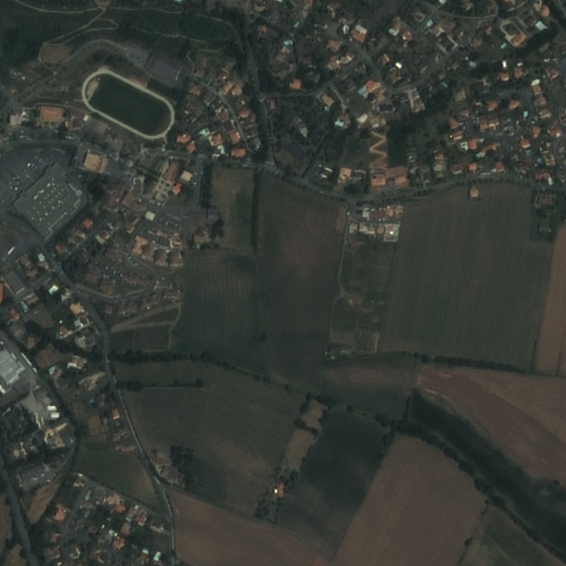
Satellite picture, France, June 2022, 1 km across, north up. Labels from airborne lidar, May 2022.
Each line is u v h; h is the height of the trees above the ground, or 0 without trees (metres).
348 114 11
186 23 8
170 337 0
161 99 0
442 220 0
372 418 0
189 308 0
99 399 0
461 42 0
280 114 8
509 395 0
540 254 0
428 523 0
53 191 0
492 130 0
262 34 10
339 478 0
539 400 0
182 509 0
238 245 0
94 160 0
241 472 0
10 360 0
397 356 0
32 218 0
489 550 0
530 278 0
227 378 0
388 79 11
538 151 5
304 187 9
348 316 0
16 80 0
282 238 0
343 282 0
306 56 8
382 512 0
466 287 0
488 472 0
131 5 6
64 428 0
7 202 0
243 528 0
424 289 0
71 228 6
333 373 0
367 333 0
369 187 11
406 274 0
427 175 0
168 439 0
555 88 0
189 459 16
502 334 0
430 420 0
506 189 0
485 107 7
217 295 0
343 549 0
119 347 0
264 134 10
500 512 0
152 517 9
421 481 0
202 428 0
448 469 0
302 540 0
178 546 0
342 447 0
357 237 0
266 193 0
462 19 7
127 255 0
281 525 0
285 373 0
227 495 0
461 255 0
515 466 0
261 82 9
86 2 6
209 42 6
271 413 0
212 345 0
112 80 0
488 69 10
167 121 0
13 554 0
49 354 0
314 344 0
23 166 0
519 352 0
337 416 0
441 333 0
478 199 0
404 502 0
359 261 0
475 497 0
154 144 8
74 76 0
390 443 17
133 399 0
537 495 0
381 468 0
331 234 0
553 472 0
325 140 11
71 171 0
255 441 0
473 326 0
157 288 0
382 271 0
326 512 0
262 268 0
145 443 0
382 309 0
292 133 18
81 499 0
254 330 0
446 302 0
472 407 0
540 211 9
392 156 0
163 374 0
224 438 0
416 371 0
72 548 0
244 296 0
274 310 0
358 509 0
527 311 0
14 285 0
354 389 0
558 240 0
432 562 0
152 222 0
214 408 0
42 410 0
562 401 0
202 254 0
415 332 0
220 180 0
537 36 11
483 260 0
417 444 0
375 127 0
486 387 0
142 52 0
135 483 0
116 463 0
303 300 0
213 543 0
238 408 0
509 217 0
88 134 11
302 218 0
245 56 14
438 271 0
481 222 0
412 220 0
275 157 10
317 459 0
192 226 0
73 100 0
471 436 0
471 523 0
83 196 0
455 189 0
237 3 0
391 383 0
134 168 6
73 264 6
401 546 0
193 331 0
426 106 5
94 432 0
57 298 9
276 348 0
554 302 0
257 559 0
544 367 0
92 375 0
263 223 0
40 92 0
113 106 0
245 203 0
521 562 0
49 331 7
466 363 16
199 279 0
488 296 0
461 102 0
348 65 0
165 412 0
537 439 0
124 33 8
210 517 0
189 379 0
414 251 0
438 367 0
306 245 0
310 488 0
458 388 0
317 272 0
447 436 0
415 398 0
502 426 0
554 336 0
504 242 0
